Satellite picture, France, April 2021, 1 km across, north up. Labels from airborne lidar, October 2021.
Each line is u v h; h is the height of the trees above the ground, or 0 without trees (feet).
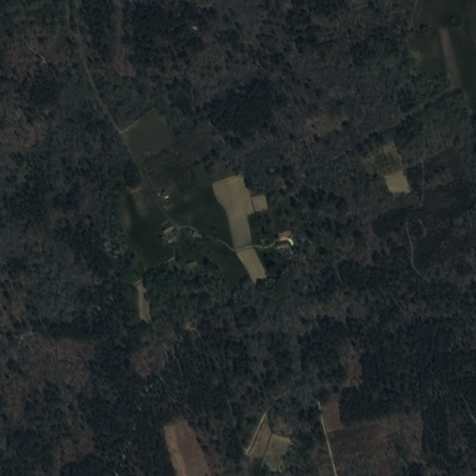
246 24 49
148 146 0
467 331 43
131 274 67
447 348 48
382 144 61
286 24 18
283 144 47
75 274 60
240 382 39
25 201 86
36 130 55
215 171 45
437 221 21
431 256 23
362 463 57
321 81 38
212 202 0
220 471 51
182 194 0
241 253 0
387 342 56
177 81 29
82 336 73
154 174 0
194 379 76
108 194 37
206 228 0
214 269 38
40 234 78
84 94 70
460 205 24
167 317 72
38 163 56
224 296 54
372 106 32
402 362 63
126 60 31
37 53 28
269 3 68
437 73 0
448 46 0
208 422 58
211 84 56
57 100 75
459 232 42
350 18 40
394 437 45
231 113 77
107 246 52
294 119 56
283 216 48
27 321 48
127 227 0
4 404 52
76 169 21
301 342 38
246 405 63
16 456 54
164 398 84
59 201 73
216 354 64
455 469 41
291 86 48
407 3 28
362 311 40
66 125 62
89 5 73
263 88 80
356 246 23
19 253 39
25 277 43
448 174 23
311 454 69
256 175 56
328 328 80
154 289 64
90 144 53
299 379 49
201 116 76
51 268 67
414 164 47
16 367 68
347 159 38
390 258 38
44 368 41
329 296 64
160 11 65
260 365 42
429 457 62
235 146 83
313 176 61
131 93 51
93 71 54
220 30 46
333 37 49
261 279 0
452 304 63
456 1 0
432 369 51
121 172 67
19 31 64
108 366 66
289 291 61
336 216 71
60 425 22
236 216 0
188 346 58
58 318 31
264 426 0
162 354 36
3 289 62
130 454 58
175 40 66
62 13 82
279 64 66
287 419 43
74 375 62
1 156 58
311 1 59
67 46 24
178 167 0
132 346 40
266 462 0
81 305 34
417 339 58
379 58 68
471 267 19
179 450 0
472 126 63
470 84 0
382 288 57
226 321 32
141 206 0
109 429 45
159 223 0
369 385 56
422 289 49
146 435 65
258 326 25
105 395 49
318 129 52
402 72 61
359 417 68
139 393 61
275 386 66
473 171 61
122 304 77
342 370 22
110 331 73
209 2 51
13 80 44
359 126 45
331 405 0
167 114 69
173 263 0
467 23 0
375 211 31
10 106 64
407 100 75
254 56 40
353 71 27
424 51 0
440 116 68
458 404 58
